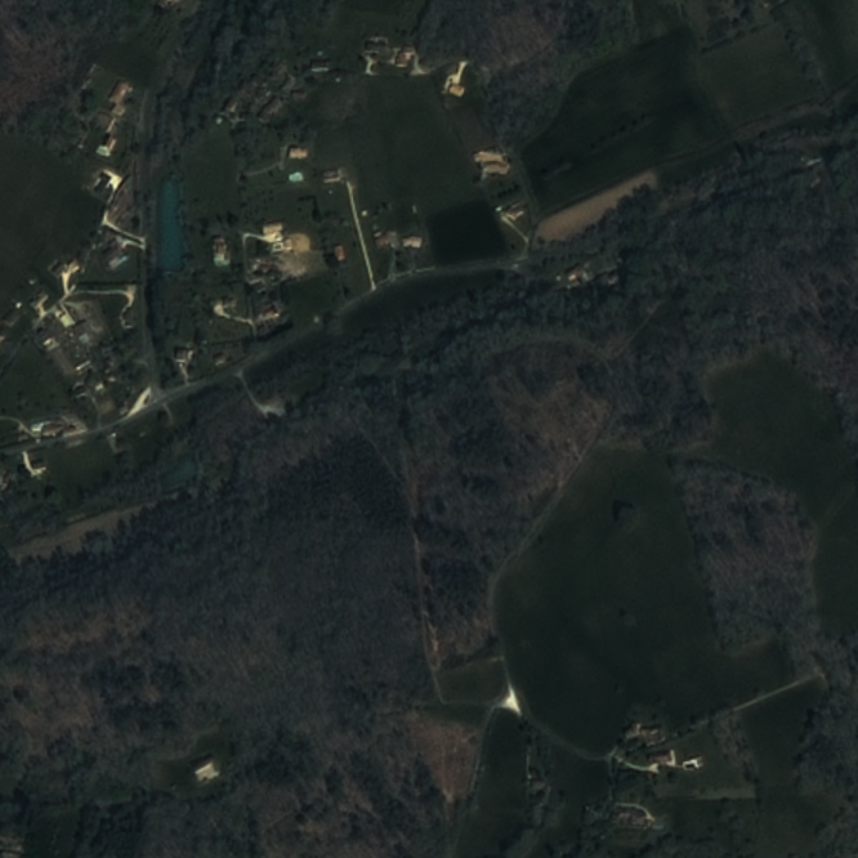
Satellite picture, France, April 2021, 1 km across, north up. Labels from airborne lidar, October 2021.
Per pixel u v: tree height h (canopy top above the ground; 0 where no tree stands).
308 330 0
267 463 18
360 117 0
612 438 14
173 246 0
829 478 0
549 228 0
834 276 19
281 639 22
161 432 0
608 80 0
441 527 6
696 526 14
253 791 14
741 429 0
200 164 0
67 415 0
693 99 0
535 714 0
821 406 0
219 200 0
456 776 0
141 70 0
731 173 15
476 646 14
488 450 28
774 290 22
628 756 7
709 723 10
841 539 0
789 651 14
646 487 0
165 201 0
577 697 0
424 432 21
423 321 12
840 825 8
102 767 20
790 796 0
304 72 11
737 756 7
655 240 19
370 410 14
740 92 0
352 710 15
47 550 0
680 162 0
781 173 19
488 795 0
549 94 19
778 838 0
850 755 26
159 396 0
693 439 15
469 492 26
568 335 23
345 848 17
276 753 21
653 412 24
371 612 17
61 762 19
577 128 0
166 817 16
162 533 14
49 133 16
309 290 0
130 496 18
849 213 18
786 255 22
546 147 0
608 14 25
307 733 19
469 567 14
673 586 0
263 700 22
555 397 21
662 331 25
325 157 0
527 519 13
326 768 21
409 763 15
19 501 18
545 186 0
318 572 13
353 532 17
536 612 0
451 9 19
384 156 0
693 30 0
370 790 26
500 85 18
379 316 0
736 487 15
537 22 17
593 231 9
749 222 21
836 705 16
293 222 0
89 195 0
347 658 14
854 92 0
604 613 0
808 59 17
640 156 0
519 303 9
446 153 0
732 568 19
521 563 0
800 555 16
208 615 21
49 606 19
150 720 25
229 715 20
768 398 0
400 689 10
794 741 0
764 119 0
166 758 14
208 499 14
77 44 9
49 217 0
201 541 9
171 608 21
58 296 0
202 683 24
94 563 11
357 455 14
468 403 18
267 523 10
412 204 0
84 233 0
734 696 0
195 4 0
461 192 0
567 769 0
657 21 0
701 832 0
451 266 0
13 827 16
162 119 20
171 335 12
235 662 22
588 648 0
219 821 17
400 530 18
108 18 18
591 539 0
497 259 0
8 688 22
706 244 19
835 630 0
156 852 20
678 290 9
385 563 18
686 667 0
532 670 0
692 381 26
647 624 0
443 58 23
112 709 26
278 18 19
